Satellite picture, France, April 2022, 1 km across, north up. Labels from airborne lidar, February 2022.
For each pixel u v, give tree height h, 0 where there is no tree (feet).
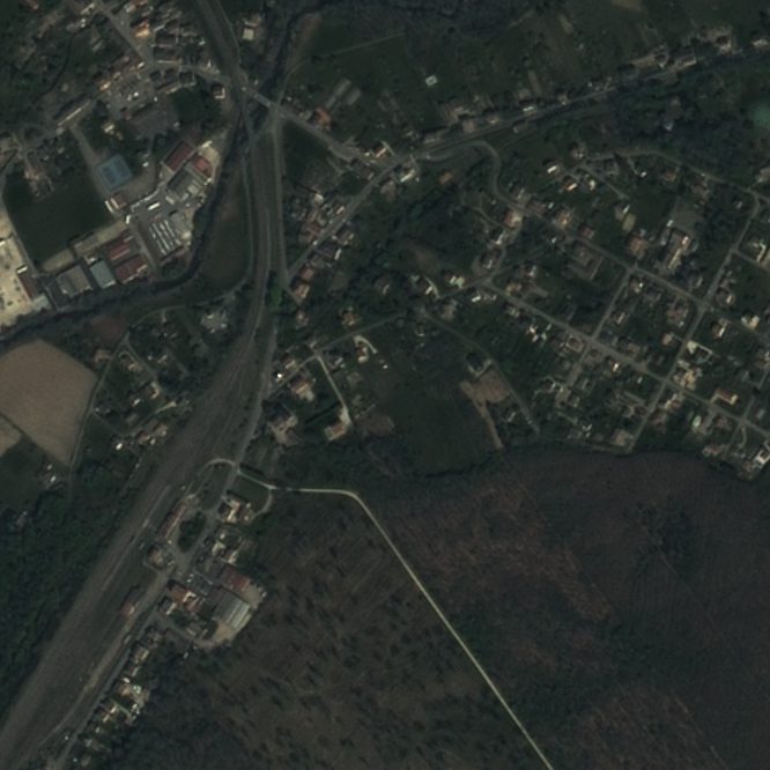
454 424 0
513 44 0
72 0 0
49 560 62
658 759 0
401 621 78
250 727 0
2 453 0
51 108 0
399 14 88
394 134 0
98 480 57
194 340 30
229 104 0
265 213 0
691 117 68
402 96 37
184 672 86
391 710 0
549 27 0
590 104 0
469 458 0
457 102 0
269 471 0
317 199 0
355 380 0
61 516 50
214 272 0
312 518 0
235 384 0
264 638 0
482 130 0
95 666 0
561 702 60
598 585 25
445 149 0
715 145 99
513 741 0
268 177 0
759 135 0
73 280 0
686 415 0
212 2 0
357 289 53
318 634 0
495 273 0
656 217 0
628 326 0
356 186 0
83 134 0
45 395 0
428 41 0
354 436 0
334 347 0
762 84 0
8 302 0
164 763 82
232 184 0
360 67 0
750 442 0
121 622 0
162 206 0
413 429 0
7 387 0
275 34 44
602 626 59
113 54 35
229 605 0
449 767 93
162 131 0
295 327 41
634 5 0
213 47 0
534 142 0
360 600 0
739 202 0
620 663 62
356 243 0
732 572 46
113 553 0
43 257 0
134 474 0
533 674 56
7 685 25
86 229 0
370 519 0
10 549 65
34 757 0
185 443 0
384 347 0
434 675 0
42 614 26
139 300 56
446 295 0
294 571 0
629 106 94
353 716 0
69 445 0
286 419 0
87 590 0
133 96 0
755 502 39
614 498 30
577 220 0
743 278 0
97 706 0
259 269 0
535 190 0
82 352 24
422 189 0
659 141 48
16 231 0
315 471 0
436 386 0
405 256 26
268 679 0
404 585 0
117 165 0
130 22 0
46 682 0
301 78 0
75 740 0
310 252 0
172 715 98
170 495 0
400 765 0
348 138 0
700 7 0
